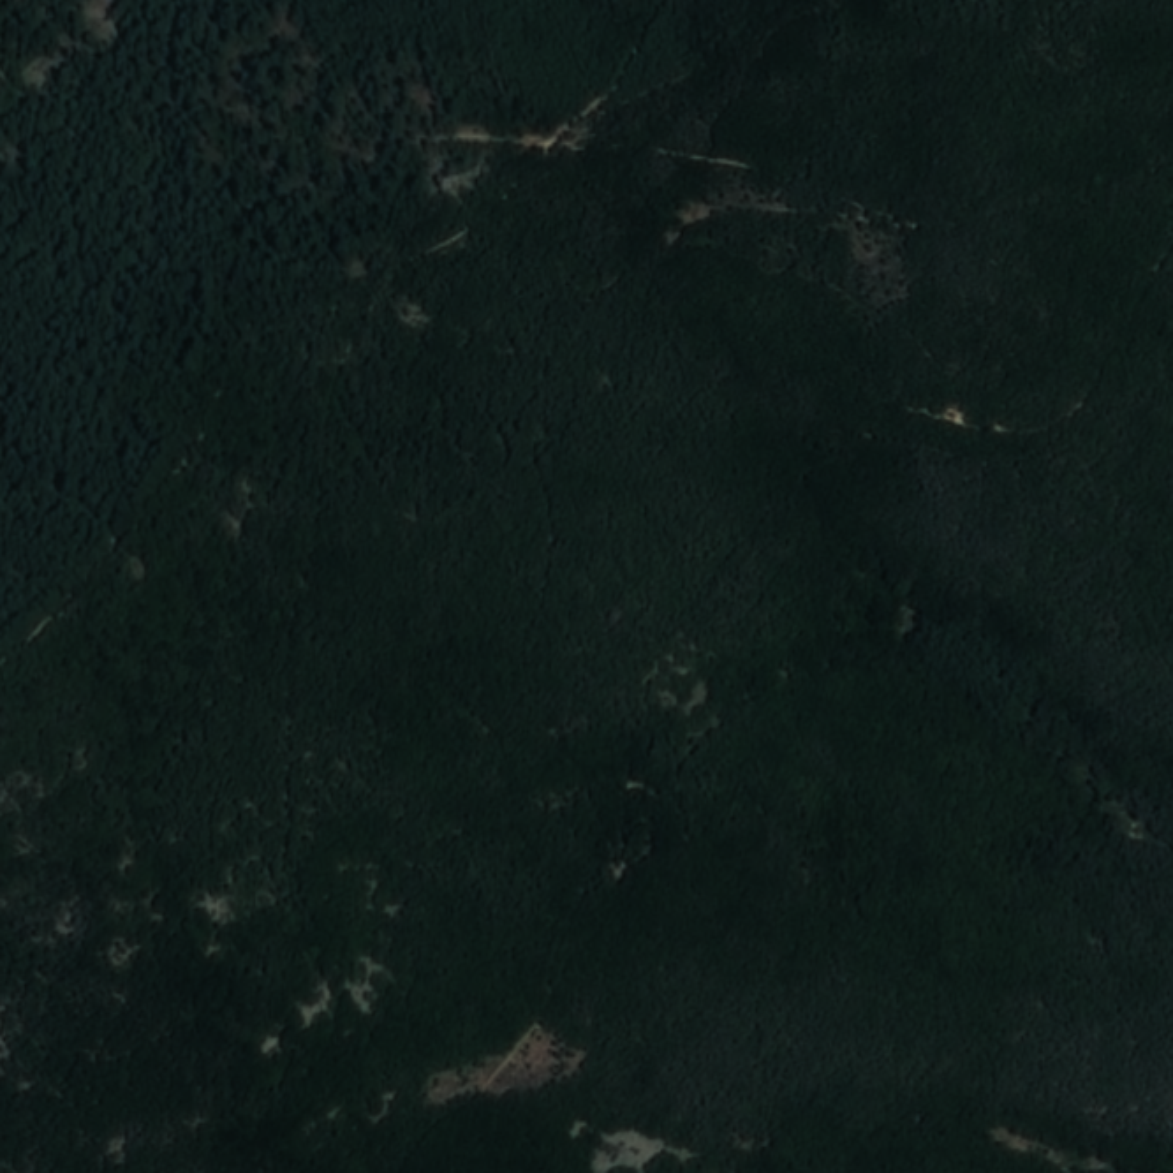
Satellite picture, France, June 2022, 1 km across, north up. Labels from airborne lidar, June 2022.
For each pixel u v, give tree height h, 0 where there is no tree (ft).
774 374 38
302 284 27
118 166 87
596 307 48
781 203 43
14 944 32
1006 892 63
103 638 18
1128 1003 43
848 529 64
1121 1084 28
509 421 70
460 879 47
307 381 47
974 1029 38
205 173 87
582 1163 42
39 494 107
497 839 54
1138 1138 39
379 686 35
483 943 48
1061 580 25
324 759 32
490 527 56
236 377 27
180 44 78
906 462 27
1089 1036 38
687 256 48
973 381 31
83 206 98
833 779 43
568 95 28
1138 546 33
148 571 29
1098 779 61
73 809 24
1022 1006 39
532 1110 52
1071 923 60
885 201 30
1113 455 32
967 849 60
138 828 36
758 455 50
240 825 48
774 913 53
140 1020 30
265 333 34
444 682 48
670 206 39
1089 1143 33
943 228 42
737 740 43
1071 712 51
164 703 50
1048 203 44
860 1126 53
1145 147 41
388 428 63
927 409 41
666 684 29
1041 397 34
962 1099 40
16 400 70
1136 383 37
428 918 52
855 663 36
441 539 58
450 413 58
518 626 52
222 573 30
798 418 38
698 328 46
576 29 31
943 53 27
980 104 38
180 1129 31
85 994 28
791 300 41
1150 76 40
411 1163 58
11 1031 28
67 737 22
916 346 36
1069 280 30
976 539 46
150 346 74
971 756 48
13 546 90
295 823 60
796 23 21
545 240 34
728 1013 33
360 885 27
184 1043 35
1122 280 47
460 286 57
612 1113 38
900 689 53
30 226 106
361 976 39
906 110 19
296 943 37
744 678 37
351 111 25
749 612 32
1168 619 31
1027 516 37
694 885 39
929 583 63
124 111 74
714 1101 51
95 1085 38
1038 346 29
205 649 21
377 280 34
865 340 35
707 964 40
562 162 33
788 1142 63
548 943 47
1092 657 45
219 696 49
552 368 54
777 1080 43
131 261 95
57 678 19
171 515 23
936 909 62
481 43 21
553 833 53
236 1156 38
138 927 22
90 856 29
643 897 52
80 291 98
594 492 45
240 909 19
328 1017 35
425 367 65
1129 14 32
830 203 61
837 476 56
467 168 54
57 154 91
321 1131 32
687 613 38
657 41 33
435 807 32
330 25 60
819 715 70
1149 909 55
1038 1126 59
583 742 43
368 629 40
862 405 48
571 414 53
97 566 54
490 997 49
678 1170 29
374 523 48
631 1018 42
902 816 45
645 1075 55
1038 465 35
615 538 56
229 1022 39
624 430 48
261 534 38
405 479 57
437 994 54
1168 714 42
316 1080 52
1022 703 99
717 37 31
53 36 81
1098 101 37
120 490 80
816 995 39
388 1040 53
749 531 42
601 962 52
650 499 53
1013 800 61
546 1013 43
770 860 45
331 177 42
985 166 49
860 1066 23
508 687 50
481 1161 57
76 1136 35
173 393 35
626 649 48
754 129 39
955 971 48
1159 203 51
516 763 48
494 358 51
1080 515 40
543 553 55
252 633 29
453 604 51
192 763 47
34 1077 31
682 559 39
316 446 55
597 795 51
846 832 24
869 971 42
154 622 37
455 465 71
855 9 20
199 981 53
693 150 28
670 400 36
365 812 42
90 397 96
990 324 30
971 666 97
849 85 27
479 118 41
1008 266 31
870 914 43
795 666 39
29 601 95
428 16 49
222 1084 50
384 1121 29
